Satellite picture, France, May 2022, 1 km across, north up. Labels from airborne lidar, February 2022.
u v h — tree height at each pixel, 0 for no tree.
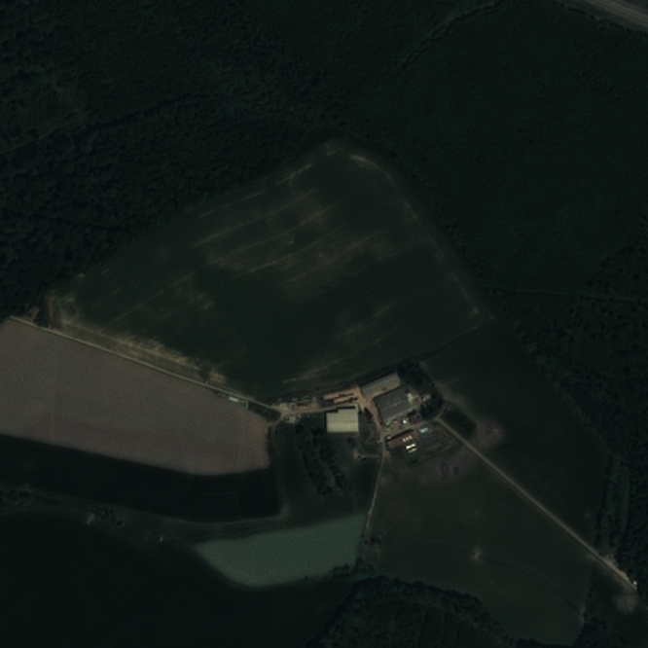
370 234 0
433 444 0
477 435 0
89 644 0
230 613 0
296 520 0
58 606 0
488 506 0
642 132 8
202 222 0
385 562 0
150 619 0
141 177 16
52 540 0
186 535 0
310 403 0
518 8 11
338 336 0
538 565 0
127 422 0
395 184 0
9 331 0
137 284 0
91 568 0
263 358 0
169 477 0
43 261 30
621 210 10
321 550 0
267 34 17
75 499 0
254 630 0
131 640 0
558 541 0
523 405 0
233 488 0
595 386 22
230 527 0
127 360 0
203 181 15
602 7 0
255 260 0
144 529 0
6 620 0
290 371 0
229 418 0
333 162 0
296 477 0
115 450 0
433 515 0
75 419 0
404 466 0
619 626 0
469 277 0
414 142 10
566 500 0
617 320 7
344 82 7
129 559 0
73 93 0
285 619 0
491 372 0
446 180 10
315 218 0
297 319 0
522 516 0
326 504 0
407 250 0
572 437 0
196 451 0
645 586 24
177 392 0
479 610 22
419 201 0
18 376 0
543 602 0
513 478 0
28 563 0
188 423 0
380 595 28
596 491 0
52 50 25
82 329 0
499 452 0
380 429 0
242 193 0
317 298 0
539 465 0
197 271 0
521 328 12
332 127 0
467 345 0
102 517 19
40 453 0
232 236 0
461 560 0
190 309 0
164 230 0
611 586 0
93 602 0
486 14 8
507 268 12
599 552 8
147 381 0
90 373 0
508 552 0
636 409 6
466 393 0
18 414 0
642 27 0
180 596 0
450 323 0
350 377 0
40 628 0
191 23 20
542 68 11
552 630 0
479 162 12
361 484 0
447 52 10
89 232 21
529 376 0
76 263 28
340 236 0
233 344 0
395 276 0
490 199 11
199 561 0
